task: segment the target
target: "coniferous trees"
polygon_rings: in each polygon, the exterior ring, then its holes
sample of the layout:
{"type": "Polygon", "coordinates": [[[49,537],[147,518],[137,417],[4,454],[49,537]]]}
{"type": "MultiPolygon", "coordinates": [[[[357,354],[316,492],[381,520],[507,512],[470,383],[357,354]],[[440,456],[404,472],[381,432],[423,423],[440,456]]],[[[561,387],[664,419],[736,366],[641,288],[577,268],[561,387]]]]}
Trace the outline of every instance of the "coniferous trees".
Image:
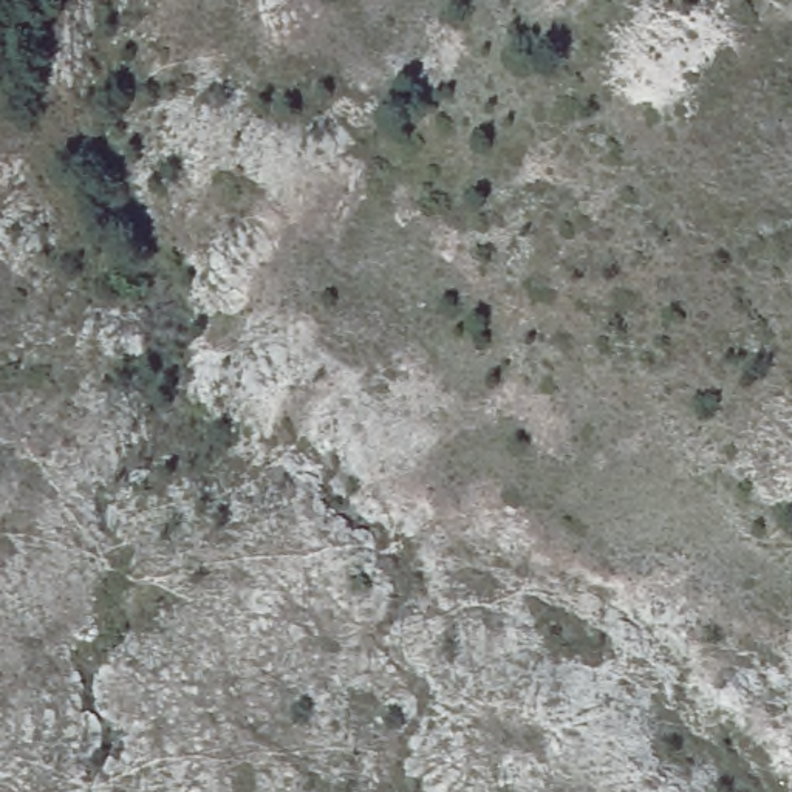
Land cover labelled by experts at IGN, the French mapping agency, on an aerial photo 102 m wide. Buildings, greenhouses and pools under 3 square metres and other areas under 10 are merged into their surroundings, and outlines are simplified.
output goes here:
{"type": "Polygon", "coordinates": [[[46,111],[50,71],[59,50],[56,28],[62,22],[62,9],[71,0],[0,0],[0,118],[19,124],[22,130],[40,127],[40,114],[46,111]]]}

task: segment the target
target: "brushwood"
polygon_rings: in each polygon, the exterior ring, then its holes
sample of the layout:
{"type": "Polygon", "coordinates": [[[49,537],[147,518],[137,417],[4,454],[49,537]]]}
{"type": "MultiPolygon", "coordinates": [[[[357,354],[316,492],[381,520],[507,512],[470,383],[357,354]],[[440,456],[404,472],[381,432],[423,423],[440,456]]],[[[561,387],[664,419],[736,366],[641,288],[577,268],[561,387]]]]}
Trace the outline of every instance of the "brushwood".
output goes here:
{"type": "Polygon", "coordinates": [[[353,99],[356,105],[374,102],[374,121],[365,124],[359,139],[347,145],[350,158],[359,158],[365,167],[362,176],[368,195],[362,204],[371,210],[371,217],[418,207],[421,213],[439,217],[458,232],[486,232],[501,229],[504,213],[501,204],[498,210],[486,210],[486,198],[476,195],[476,186],[467,189],[464,204],[455,207],[449,192],[436,189],[442,164],[430,164],[418,155],[424,145],[424,133],[415,124],[430,105],[439,102],[455,96],[455,80],[430,84],[421,62],[408,62],[396,74],[390,93],[384,93],[359,90],[340,80],[343,68],[334,59],[303,59],[291,53],[275,62],[260,62],[260,56],[248,56],[244,65],[254,68],[260,87],[272,87],[272,102],[248,96],[244,111],[254,111],[260,121],[275,127],[312,127],[319,114],[331,108],[334,99],[353,99]]]}
{"type": "Polygon", "coordinates": [[[545,647],[551,650],[551,662],[575,659],[585,665],[603,665],[606,647],[613,644],[606,631],[588,628],[585,619],[566,613],[563,606],[526,597],[523,606],[535,619],[535,631],[545,637],[545,647]]]}
{"type": "Polygon", "coordinates": [[[183,158],[170,155],[158,161],[155,173],[149,176],[155,195],[167,195],[167,189],[186,173],[183,158]]]}
{"type": "Polygon", "coordinates": [[[384,634],[396,622],[415,613],[415,600],[427,594],[427,575],[418,548],[408,538],[399,554],[374,557],[384,575],[390,579],[393,591],[384,619],[365,625],[362,631],[368,656],[381,650],[384,634]]]}
{"type": "Polygon", "coordinates": [[[446,25],[452,25],[452,28],[458,28],[461,22],[467,22],[467,19],[470,19],[470,12],[473,12],[473,0],[452,0],[452,3],[449,3],[449,9],[446,9],[446,15],[439,19],[439,22],[446,22],[446,25]]]}
{"type": "Polygon", "coordinates": [[[347,523],[347,529],[368,532],[377,548],[387,548],[387,526],[362,520],[359,514],[353,514],[353,504],[347,501],[334,510],[334,517],[347,523]]]}
{"type": "Polygon", "coordinates": [[[108,46],[108,37],[118,28],[130,28],[145,19],[142,0],[93,0],[96,25],[84,37],[93,46],[84,53],[84,62],[93,68],[99,80],[87,87],[87,105],[93,108],[90,136],[105,136],[105,142],[124,158],[127,170],[142,158],[139,149],[130,145],[130,105],[155,105],[161,99],[173,99],[195,84],[192,71],[170,71],[170,77],[158,80],[133,77],[139,59],[124,46],[108,46]]]}
{"type": "Polygon", "coordinates": [[[548,25],[529,25],[523,19],[514,19],[510,43],[504,46],[501,65],[520,77],[535,74],[535,68],[520,37],[535,34],[541,43],[548,43],[548,25]]]}
{"type": "Polygon", "coordinates": [[[461,297],[458,303],[449,303],[442,297],[436,306],[421,309],[430,319],[446,312],[455,325],[455,334],[470,337],[476,347],[492,343],[489,303],[461,297]]]}
{"type": "Polygon", "coordinates": [[[266,189],[244,176],[244,167],[232,167],[213,170],[210,186],[220,192],[220,207],[229,213],[229,229],[238,229],[248,213],[257,210],[257,201],[266,195],[266,189]]]}

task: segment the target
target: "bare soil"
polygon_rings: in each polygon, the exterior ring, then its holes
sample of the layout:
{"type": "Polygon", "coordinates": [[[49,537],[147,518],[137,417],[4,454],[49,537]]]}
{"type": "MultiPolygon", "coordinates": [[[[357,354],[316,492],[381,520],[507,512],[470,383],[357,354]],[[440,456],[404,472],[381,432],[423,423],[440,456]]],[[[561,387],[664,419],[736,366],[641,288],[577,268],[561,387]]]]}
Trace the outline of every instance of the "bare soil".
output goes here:
{"type": "Polygon", "coordinates": [[[755,0],[761,22],[792,22],[792,0],[755,0]]]}
{"type": "Polygon", "coordinates": [[[551,399],[545,393],[504,381],[504,374],[510,371],[510,359],[501,359],[486,374],[495,390],[486,399],[470,402],[458,399],[455,393],[442,393],[433,381],[433,368],[439,365],[439,343],[446,343],[455,334],[455,325],[446,312],[430,319],[421,309],[436,306],[442,297],[449,303],[458,303],[461,297],[461,275],[476,266],[476,260],[492,263],[498,244],[514,248],[514,254],[504,260],[514,269],[510,285],[520,285],[526,278],[532,238],[523,235],[526,213],[517,207],[504,213],[501,229],[486,232],[458,232],[439,217],[421,213],[418,207],[371,217],[371,210],[362,204],[368,195],[362,176],[365,167],[359,158],[350,158],[347,145],[359,139],[365,124],[374,121],[374,102],[356,105],[353,99],[334,99],[331,108],[319,114],[312,127],[275,127],[260,121],[254,111],[244,111],[248,96],[272,102],[272,87],[260,87],[254,68],[244,65],[248,56],[260,56],[260,62],[275,62],[291,53],[303,59],[334,59],[343,68],[340,80],[359,90],[384,93],[390,93],[396,74],[408,62],[421,62],[430,84],[455,80],[455,96],[439,102],[442,111],[449,111],[452,118],[464,114],[476,121],[483,139],[495,142],[495,121],[504,121],[510,111],[529,108],[520,96],[520,77],[501,65],[504,46],[510,43],[514,19],[523,19],[529,25],[548,25],[548,43],[560,56],[569,53],[572,40],[566,22],[582,12],[588,0],[473,0],[473,12],[470,12],[470,19],[467,19],[467,22],[461,22],[458,28],[452,28],[452,25],[446,25],[446,22],[439,22],[439,19],[446,15],[446,9],[449,9],[449,3],[452,3],[452,0],[142,0],[145,19],[130,28],[118,28],[108,37],[108,46],[124,46],[139,59],[133,77],[158,80],[170,77],[170,71],[192,71],[195,84],[173,99],[161,99],[155,105],[130,105],[130,145],[139,149],[142,158],[127,170],[136,201],[145,207],[152,220],[155,241],[164,248],[176,248],[195,269],[189,303],[198,316],[207,316],[207,328],[189,347],[192,381],[186,384],[186,390],[192,399],[204,402],[210,418],[232,418],[235,424],[248,424],[251,436],[241,436],[232,446],[238,458],[248,461],[241,486],[207,486],[176,480],[164,495],[149,495],[133,492],[136,483],[145,480],[145,470],[130,470],[124,486],[114,483],[111,476],[118,470],[118,461],[127,455],[127,446],[149,439],[149,424],[145,399],[139,393],[102,393],[102,381],[127,353],[142,356],[142,337],[114,334],[121,309],[114,309],[99,291],[74,278],[84,269],[84,251],[77,235],[87,232],[87,217],[80,217],[77,198],[68,189],[46,186],[43,179],[46,170],[59,164],[59,152],[71,136],[90,136],[93,108],[87,105],[87,87],[99,80],[93,68],[84,62],[84,53],[93,46],[84,37],[96,25],[93,0],[71,0],[62,9],[62,22],[56,28],[59,50],[50,71],[46,111],[40,114],[40,127],[22,130],[19,124],[0,118],[0,362],[43,362],[53,365],[56,374],[71,371],[80,377],[77,393],[56,393],[53,399],[37,396],[34,390],[0,393],[0,792],[306,792],[303,777],[309,770],[319,780],[331,783],[343,783],[347,777],[347,767],[328,764],[328,752],[353,752],[356,736],[343,718],[350,690],[374,693],[381,702],[399,705],[405,718],[418,721],[418,733],[408,739],[405,777],[421,780],[424,792],[718,792],[715,764],[693,767],[693,777],[681,777],[674,761],[653,755],[653,696],[665,696],[665,708],[681,715],[684,730],[699,739],[718,739],[724,724],[736,724],[746,736],[767,749],[773,773],[789,777],[789,792],[792,792],[792,631],[783,656],[786,671],[767,668],[767,674],[755,678],[752,668],[743,668],[721,690],[702,665],[699,644],[687,637],[687,628],[696,625],[696,616],[681,613],[687,603],[687,572],[668,575],[659,569],[653,575],[625,582],[588,569],[585,563],[579,563],[579,554],[572,551],[554,551],[548,557],[541,554],[535,535],[529,535],[529,520],[523,517],[523,510],[501,501],[501,489],[495,486],[495,480],[473,480],[470,486],[449,483],[446,461],[455,464],[461,461],[461,455],[449,455],[439,442],[449,442],[467,430],[480,430],[492,418],[517,418],[523,430],[529,430],[532,446],[545,455],[557,455],[557,446],[572,436],[569,421],[551,411],[551,399]],[[155,195],[149,176],[155,173],[158,161],[170,155],[183,158],[186,173],[167,189],[167,195],[155,195]],[[257,201],[257,210],[248,213],[238,229],[229,229],[229,213],[220,207],[220,192],[210,186],[213,170],[232,167],[244,167],[244,176],[266,189],[266,195],[257,201]],[[353,514],[359,514],[362,520],[387,526],[387,548],[377,548],[368,532],[347,529],[347,523],[334,517],[334,510],[347,501],[353,504],[353,514]],[[415,613],[396,622],[384,634],[381,650],[368,656],[362,631],[365,625],[384,619],[393,591],[390,579],[384,575],[374,557],[399,554],[408,538],[418,548],[427,575],[427,594],[415,600],[415,613]],[[127,582],[155,585],[164,594],[179,597],[183,606],[158,613],[158,625],[164,625],[167,631],[127,631],[124,644],[108,653],[105,665],[99,665],[96,674],[90,668],[77,674],[71,653],[80,640],[90,644],[99,634],[93,609],[96,582],[108,572],[108,557],[124,548],[133,548],[127,582]],[[566,613],[585,619],[588,628],[606,631],[613,644],[606,647],[603,665],[585,665],[575,659],[551,662],[551,650],[545,647],[545,637],[535,631],[535,619],[523,606],[526,597],[563,606],[566,613]]]}
{"type": "Polygon", "coordinates": [[[616,0],[634,19],[631,25],[609,31],[613,50],[606,50],[603,62],[585,71],[585,80],[597,90],[594,96],[588,96],[588,111],[597,118],[597,124],[609,124],[619,139],[644,124],[644,111],[650,105],[674,105],[684,93],[684,74],[699,71],[705,62],[715,59],[721,46],[736,46],[733,22],[727,15],[730,0],[616,0]]]}
{"type": "Polygon", "coordinates": [[[761,408],[749,408],[749,439],[724,446],[721,452],[733,461],[727,473],[736,480],[749,480],[758,501],[792,501],[792,393],[777,396],[761,408]]]}
{"type": "Polygon", "coordinates": [[[591,217],[600,213],[628,186],[637,167],[600,161],[572,164],[566,158],[554,158],[554,139],[541,139],[526,152],[526,161],[517,176],[501,179],[495,189],[486,179],[480,179],[476,186],[476,195],[486,198],[495,195],[498,201],[504,201],[517,192],[517,186],[538,179],[569,189],[579,198],[579,207],[591,217]]]}

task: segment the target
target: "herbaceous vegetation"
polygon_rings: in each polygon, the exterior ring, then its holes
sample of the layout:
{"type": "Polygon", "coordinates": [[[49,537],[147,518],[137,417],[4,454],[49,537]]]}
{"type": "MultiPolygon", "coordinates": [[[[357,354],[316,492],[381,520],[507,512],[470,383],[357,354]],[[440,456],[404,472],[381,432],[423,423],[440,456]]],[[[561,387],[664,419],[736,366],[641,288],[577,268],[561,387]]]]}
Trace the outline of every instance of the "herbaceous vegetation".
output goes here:
{"type": "Polygon", "coordinates": [[[71,371],[56,374],[53,365],[43,362],[0,362],[0,393],[34,390],[37,396],[53,399],[56,393],[77,393],[80,377],[71,371]]]}
{"type": "Polygon", "coordinates": [[[319,780],[309,770],[303,777],[306,792],[424,792],[421,780],[405,777],[408,739],[418,733],[418,721],[405,718],[399,705],[381,702],[374,693],[350,690],[343,718],[356,736],[353,752],[328,752],[328,764],[347,767],[347,777],[343,783],[331,783],[319,780]]]}
{"type": "Polygon", "coordinates": [[[142,337],[142,356],[127,353],[102,381],[102,393],[139,393],[145,399],[149,424],[149,439],[127,446],[127,455],[118,461],[118,470],[111,476],[114,483],[124,486],[130,470],[145,470],[145,480],[136,483],[133,492],[149,495],[164,495],[176,480],[207,486],[241,486],[248,461],[238,458],[232,446],[241,436],[251,436],[248,424],[235,424],[232,418],[210,418],[204,402],[192,399],[186,390],[186,384],[192,381],[189,347],[207,328],[207,316],[198,316],[189,303],[195,269],[176,248],[164,248],[155,241],[152,220],[145,207],[136,201],[127,170],[124,158],[105,142],[105,136],[90,136],[71,136],[59,152],[59,164],[46,170],[43,179],[46,186],[68,189],[77,198],[80,217],[87,217],[87,232],[77,235],[84,251],[84,269],[74,278],[99,291],[114,309],[121,309],[114,334],[142,337]]]}
{"type": "Polygon", "coordinates": [[[96,582],[93,609],[99,634],[90,644],[80,640],[71,653],[77,674],[90,668],[96,674],[99,665],[105,665],[108,653],[124,644],[127,631],[167,631],[164,625],[158,625],[158,613],[183,606],[179,597],[164,594],[155,585],[127,582],[133,548],[124,548],[108,557],[108,572],[96,582]]]}
{"type": "Polygon", "coordinates": [[[566,158],[572,164],[600,161],[637,167],[628,186],[600,213],[591,217],[579,207],[579,198],[569,189],[538,179],[517,186],[517,192],[504,201],[498,201],[495,195],[486,198],[486,210],[498,210],[501,204],[504,213],[517,207],[526,213],[523,235],[532,238],[526,278],[520,285],[510,285],[514,269],[504,260],[514,254],[514,248],[498,244],[492,263],[476,260],[476,266],[461,275],[461,297],[489,303],[492,343],[476,347],[470,337],[455,334],[446,343],[439,343],[439,365],[433,368],[433,381],[442,393],[455,393],[458,399],[470,402],[486,399],[495,390],[486,374],[501,359],[510,359],[510,371],[504,374],[504,381],[545,393],[551,399],[551,411],[569,421],[572,436],[557,446],[557,455],[545,455],[532,446],[529,430],[523,430],[517,418],[492,418],[480,430],[467,430],[449,442],[439,442],[449,455],[461,455],[461,461],[455,464],[446,461],[449,483],[470,486],[473,480],[495,480],[495,486],[501,489],[501,501],[523,510],[523,517],[529,520],[529,535],[535,535],[541,554],[548,557],[554,551],[572,551],[579,554],[579,563],[585,563],[588,569],[625,582],[653,575],[659,569],[668,575],[687,572],[687,603],[681,613],[696,616],[696,625],[687,628],[687,637],[699,644],[702,665],[721,690],[743,668],[752,668],[755,678],[767,674],[767,668],[786,671],[783,656],[792,631],[792,501],[758,501],[749,480],[736,480],[727,473],[733,461],[721,452],[724,446],[749,439],[749,408],[761,408],[777,396],[792,393],[792,22],[761,22],[755,0],[730,0],[727,15],[733,22],[736,46],[721,46],[715,59],[705,62],[699,71],[684,74],[684,93],[674,105],[650,105],[644,111],[644,124],[619,139],[609,124],[597,124],[597,118],[588,111],[588,96],[594,96],[597,90],[585,80],[585,71],[603,62],[606,50],[613,50],[609,31],[631,25],[634,19],[616,0],[588,0],[582,12],[566,22],[572,40],[569,53],[560,56],[548,43],[541,43],[535,34],[520,37],[535,68],[535,74],[520,77],[520,96],[529,108],[510,111],[504,121],[495,121],[495,142],[483,139],[476,121],[464,114],[452,118],[449,111],[442,111],[439,102],[430,105],[415,124],[424,133],[424,145],[418,155],[430,164],[442,164],[436,189],[449,192],[455,207],[464,204],[467,189],[476,186],[480,179],[486,179],[495,189],[501,179],[517,176],[526,161],[526,152],[541,139],[554,139],[554,158],[566,158]]]}
{"type": "Polygon", "coordinates": [[[724,724],[718,739],[699,739],[684,730],[681,715],[665,708],[665,696],[653,696],[653,755],[674,761],[681,777],[693,777],[693,767],[715,764],[718,792],[789,792],[789,777],[773,773],[767,749],[746,736],[736,724],[724,724]]]}

